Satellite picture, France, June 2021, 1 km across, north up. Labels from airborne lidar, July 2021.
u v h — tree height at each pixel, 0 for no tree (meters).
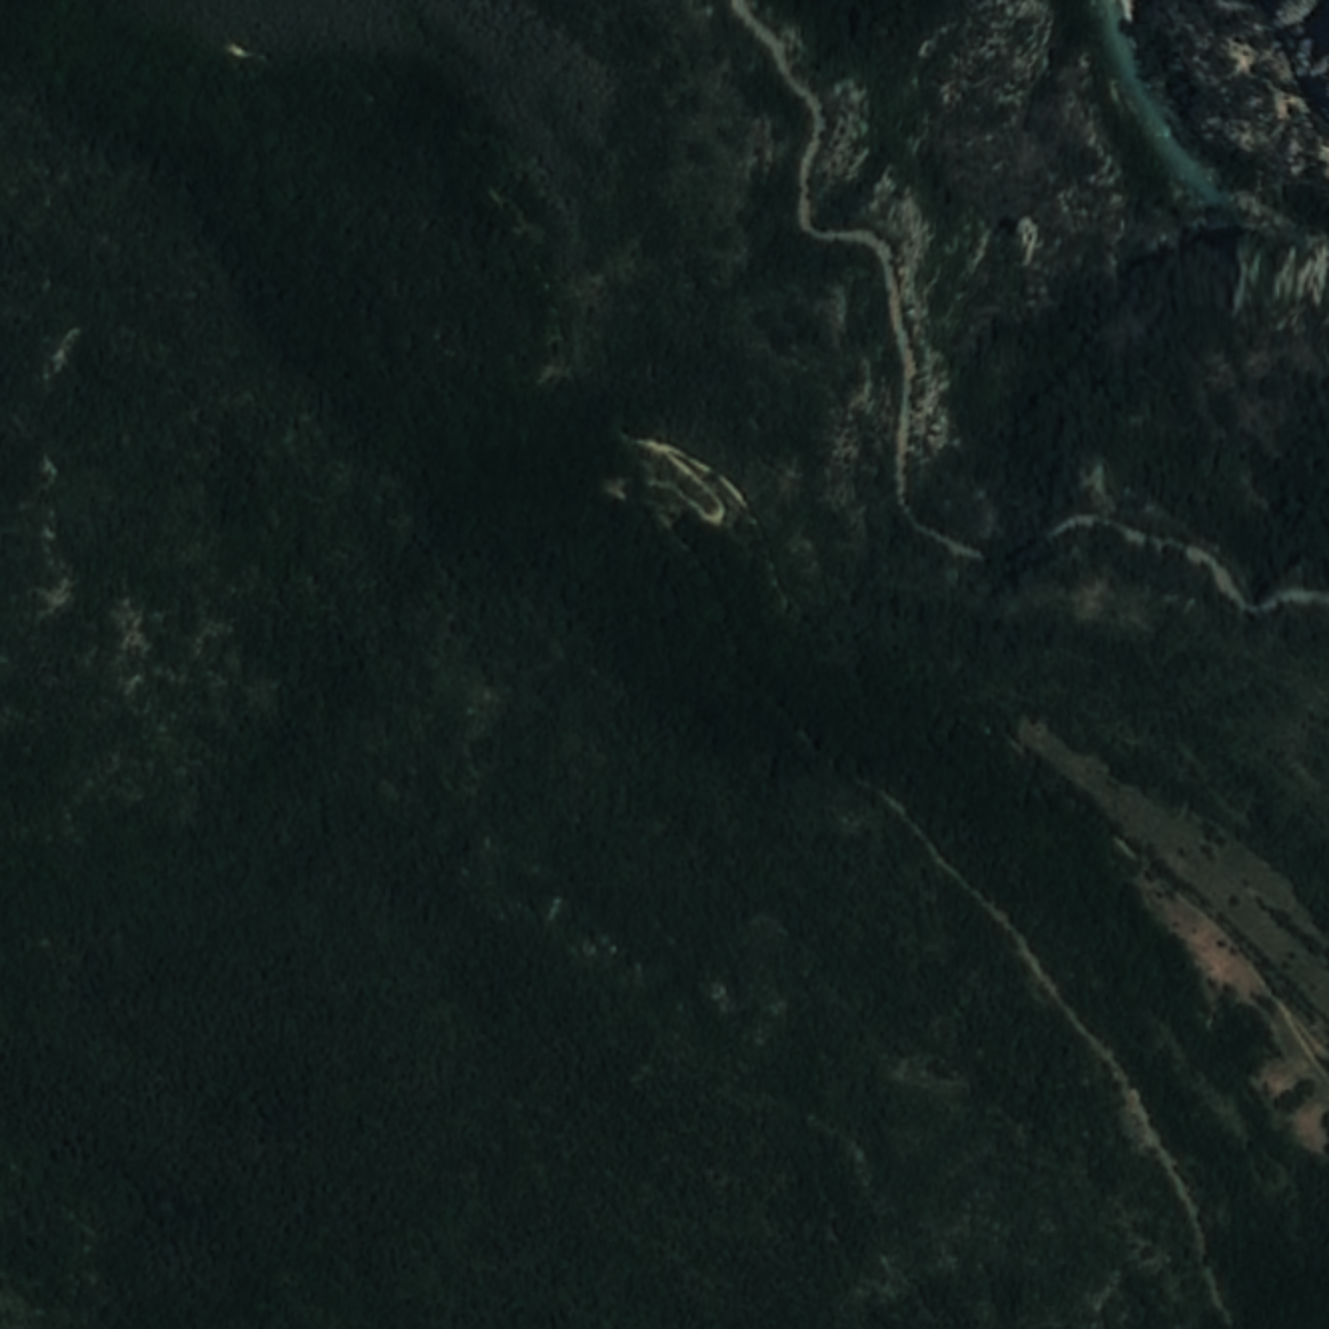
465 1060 7
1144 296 12
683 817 10
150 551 10
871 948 9
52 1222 12
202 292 9
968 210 19
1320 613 12
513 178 8
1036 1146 6
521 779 8
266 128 13
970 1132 6
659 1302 11
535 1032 9
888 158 13
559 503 24
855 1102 8
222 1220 19
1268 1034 10
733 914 7
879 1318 14
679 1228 9
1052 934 7
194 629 11
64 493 6
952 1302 8
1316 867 8
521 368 13
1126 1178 8
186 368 7
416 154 13
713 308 8
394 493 12
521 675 10
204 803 9
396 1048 9
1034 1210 5
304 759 14
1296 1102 9
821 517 13
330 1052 11
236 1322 10
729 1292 9
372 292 12
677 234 7
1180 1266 9
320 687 19
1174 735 8
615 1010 7
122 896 11
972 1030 11
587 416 23
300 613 14
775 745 24
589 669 7
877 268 8
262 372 7
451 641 9
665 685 23
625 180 6
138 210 7
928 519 14
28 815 11
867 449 8
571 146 7
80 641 7
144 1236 18
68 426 13
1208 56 8
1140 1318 8
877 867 8
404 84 19
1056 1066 9
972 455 10
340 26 9
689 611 19
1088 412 16
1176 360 13
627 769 11
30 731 9
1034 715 7
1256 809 6
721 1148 8
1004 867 17
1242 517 9
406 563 13
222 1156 16
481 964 8
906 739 22
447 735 7
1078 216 7
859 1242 10
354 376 23
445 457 23
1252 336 7
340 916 8
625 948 6
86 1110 16
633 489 12
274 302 22
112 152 13
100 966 14
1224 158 16
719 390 10
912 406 6
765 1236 6
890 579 6
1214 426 19
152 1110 12
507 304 12
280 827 9
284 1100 15
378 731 7
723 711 23
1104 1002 6
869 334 9
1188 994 9
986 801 18
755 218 8
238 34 10
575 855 9
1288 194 18
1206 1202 7
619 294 7
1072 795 16
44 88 12
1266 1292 20
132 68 18
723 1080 9
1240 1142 7
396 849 8
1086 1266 6
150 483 8
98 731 10
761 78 11
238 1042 12
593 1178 8
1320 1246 11
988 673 7
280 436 11
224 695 5
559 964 7
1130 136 6
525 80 12
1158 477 14
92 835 9
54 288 10
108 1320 17
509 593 11
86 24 16
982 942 9
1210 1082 6
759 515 6
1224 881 0
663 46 8
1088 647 12
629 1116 10
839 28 21
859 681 17
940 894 7
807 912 9
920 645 8
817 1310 7
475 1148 12
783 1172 7
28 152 7
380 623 9
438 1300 10
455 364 17
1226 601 14
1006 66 10
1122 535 13
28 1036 8
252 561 10
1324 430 15
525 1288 10
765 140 6
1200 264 9
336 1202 16
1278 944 0
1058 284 11
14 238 12
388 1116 13
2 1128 12
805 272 7
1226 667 6
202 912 7
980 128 7
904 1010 8
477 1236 11
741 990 7
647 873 8
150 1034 10
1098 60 8
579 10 8
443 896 10
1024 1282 9
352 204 13
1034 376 17
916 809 14
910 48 12
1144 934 15
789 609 6
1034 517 8
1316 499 21
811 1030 7
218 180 19
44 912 8
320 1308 6
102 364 11
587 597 16
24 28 22
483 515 27
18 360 6
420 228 14
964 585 19
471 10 13
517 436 27
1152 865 7
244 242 24
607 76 9
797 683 24
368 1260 16
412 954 6
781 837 8
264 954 8
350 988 6
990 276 11
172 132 24
